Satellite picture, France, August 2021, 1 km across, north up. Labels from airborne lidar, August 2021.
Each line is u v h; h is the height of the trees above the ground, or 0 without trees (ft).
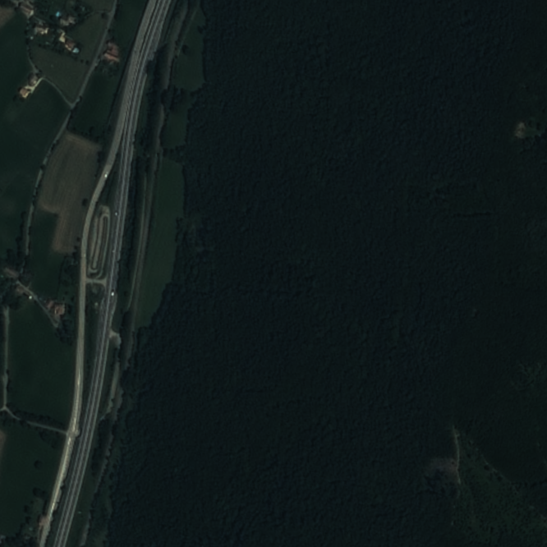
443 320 77
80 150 0
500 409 64
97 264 0
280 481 67
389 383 63
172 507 48
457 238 56
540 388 59
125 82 0
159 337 62
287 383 62
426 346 69
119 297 0
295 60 61
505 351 64
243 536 90
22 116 0
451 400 58
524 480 17
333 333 95
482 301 60
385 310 86
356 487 96
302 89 62
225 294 62
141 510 50
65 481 21
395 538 72
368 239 84
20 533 31
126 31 0
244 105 50
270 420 69
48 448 0
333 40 71
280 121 56
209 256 61
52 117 0
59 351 0
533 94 67
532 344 62
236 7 58
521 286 40
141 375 36
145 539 60
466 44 78
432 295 76
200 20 0
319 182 72
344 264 72
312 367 68
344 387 79
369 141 77
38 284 0
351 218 81
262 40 49
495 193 49
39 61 0
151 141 54
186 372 66
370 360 81
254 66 45
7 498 0
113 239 0
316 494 92
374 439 85
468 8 75
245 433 56
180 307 55
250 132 52
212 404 72
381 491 67
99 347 0
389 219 80
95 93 0
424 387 77
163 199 0
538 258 50
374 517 78
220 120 48
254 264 51
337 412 82
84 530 0
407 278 69
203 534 52
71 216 0
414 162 71
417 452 75
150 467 63
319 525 99
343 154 71
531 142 87
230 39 55
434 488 76
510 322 70
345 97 71
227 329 75
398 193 82
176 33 0
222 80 42
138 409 30
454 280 84
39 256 0
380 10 63
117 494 45
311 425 79
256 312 73
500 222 39
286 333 73
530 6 66
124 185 0
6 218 0
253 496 68
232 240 75
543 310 68
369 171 70
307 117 73
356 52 63
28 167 0
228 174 50
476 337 63
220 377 73
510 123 56
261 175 69
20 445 0
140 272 0
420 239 60
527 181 82
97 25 0
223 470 75
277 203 69
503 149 76
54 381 0
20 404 0
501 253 28
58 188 0
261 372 84
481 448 31
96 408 0
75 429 0
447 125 80
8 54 0
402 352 54
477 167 72
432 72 75
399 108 69
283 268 51
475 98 71
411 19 62
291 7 47
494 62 63
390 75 80
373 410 83
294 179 65
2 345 19
